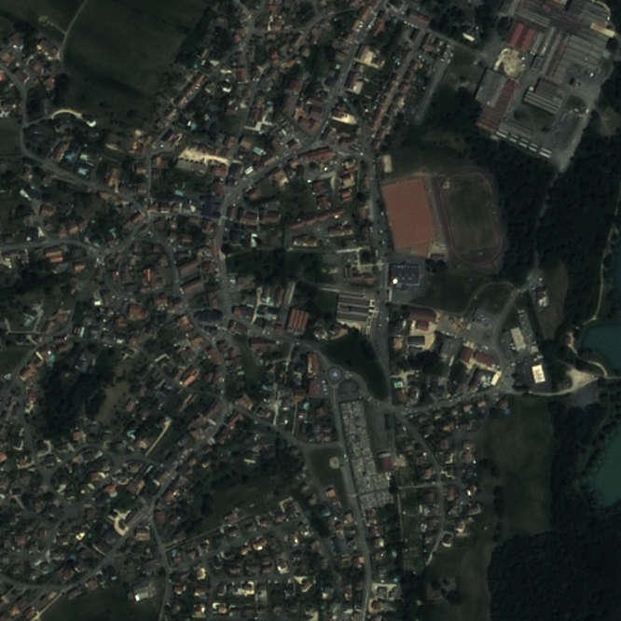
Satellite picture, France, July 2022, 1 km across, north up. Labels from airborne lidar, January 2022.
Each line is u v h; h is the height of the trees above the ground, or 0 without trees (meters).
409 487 0
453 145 0
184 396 0
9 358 0
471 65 0
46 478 0
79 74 0
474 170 0
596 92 0
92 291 0
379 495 0
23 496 11
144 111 0
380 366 0
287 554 0
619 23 13
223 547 0
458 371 0
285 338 0
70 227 0
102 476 0
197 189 7
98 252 0
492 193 0
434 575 0
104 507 6
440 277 0
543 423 0
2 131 0
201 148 0
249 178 0
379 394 0
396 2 0
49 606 0
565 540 23
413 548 0
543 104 0
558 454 10
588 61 0
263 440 0
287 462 6
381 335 0
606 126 0
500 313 0
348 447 0
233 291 0
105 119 0
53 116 0
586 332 0
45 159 0
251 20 0
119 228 7
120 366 0
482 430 0
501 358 0
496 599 9
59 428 10
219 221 0
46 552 0
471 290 0
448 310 0
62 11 0
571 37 0
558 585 18
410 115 0
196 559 0
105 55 0
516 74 0
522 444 0
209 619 0
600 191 25
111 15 0
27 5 0
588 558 23
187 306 0
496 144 18
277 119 0
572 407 0
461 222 0
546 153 0
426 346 0
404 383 0
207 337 0
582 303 8
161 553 0
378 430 0
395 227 0
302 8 8
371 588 0
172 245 0
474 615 0
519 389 14
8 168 0
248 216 0
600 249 7
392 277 0
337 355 0
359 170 0
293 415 0
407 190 0
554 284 0
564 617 21
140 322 0
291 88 0
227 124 0
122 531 0
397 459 0
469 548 0
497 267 0
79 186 0
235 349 0
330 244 0
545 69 0
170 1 0
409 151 0
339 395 0
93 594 0
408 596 17
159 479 0
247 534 0
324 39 0
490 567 8
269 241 0
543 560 11
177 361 0
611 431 17
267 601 0
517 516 0
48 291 12
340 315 0
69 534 0
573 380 0
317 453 0
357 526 0
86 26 0
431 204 0
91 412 14
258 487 0
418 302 0
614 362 0
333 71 0
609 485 0
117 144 8
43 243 0
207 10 6
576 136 0
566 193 16
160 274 0
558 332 7
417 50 0
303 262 7
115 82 0
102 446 0
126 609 0
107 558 0
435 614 0
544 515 0
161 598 0
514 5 0
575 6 0
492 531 0
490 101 0
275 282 14
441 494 0
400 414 0
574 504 18
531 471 0
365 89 0
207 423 0
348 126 0
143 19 0
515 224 6
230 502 0
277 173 0
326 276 0
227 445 0
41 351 0
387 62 0
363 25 0
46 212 0
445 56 0
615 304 6
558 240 7
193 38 7
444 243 0
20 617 0
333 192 0
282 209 0
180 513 15
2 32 0
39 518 0
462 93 8
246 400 0
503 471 0
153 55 0
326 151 0
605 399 13
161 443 0
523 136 0
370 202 0
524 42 0
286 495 0
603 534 23
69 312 0
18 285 8
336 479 0
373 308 0
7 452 8
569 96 0
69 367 18
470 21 0
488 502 0
